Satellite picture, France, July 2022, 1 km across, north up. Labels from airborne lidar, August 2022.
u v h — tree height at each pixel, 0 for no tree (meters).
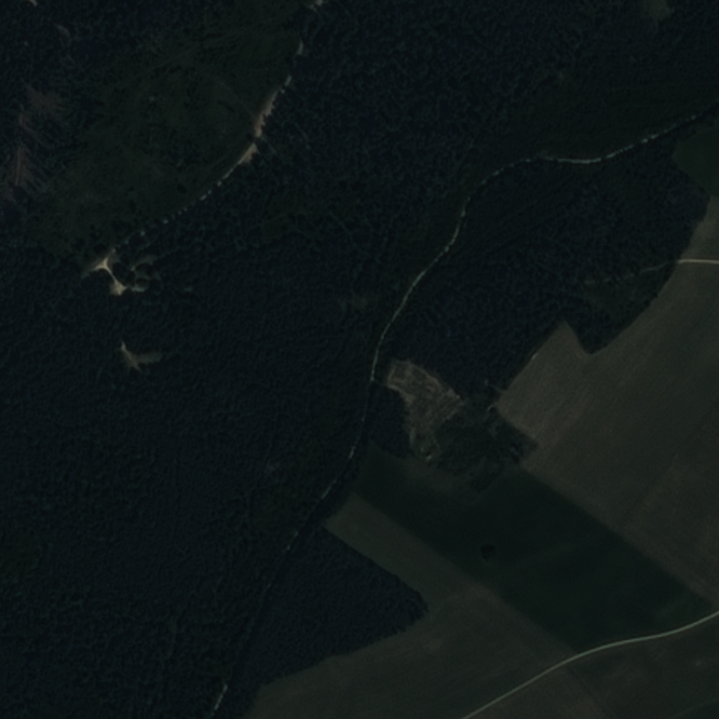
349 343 13
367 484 0
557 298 16
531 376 0
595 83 13
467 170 12
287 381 17
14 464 24
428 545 0
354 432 16
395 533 0
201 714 19
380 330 9
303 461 7
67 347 29
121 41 28
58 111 6
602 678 0
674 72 13
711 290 0
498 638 0
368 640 20
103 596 14
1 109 29
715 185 0
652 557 0
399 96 38
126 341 21
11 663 10
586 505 0
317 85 14
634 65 14
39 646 18
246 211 6
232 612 9
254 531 10
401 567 0
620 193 9
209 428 20
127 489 15
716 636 0
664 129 8
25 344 28
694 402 0
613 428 0
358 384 17
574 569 0
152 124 9
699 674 0
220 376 24
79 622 21
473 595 0
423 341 26
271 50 0
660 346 0
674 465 0
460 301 33
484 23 35
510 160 10
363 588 28
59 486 21
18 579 17
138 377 19
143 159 0
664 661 0
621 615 0
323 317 16
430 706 0
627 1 16
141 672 16
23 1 11
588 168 8
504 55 31
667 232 10
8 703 12
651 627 0
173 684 13
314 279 16
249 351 23
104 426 23
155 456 16
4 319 20
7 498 20
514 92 15
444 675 0
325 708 0
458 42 32
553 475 0
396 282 12
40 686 12
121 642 17
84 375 26
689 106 7
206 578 14
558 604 0
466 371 25
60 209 0
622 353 0
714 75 13
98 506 13
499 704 0
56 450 11
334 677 0
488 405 7
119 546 15
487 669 0
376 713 0
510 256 19
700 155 0
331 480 14
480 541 0
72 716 11
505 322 23
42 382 28
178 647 14
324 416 11
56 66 28
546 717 0
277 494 16
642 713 0
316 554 30
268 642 23
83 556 15
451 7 7
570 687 0
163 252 12
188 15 28
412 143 27
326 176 37
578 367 0
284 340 17
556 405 0
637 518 0
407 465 0
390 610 25
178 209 0
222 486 17
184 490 18
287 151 7
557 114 10
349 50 10
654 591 0
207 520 12
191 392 24
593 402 0
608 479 0
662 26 13
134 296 20
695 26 22
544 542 0
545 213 10
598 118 11
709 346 0
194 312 22
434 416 0
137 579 15
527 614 0
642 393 0
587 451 0
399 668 0
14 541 23
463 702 0
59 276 25
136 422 18
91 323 20
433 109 35
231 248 17
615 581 0
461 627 0
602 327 18
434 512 0
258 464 14
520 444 7
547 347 0
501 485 0
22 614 17
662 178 18
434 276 16
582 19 18
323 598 23
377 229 20
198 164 16
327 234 13
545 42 25
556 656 0
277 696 0
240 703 17
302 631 21
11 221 29
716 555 0
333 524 0
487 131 10
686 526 0
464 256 10
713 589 0
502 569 0
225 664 17
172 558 16
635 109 10
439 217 11
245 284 20
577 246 10
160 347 8
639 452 0
